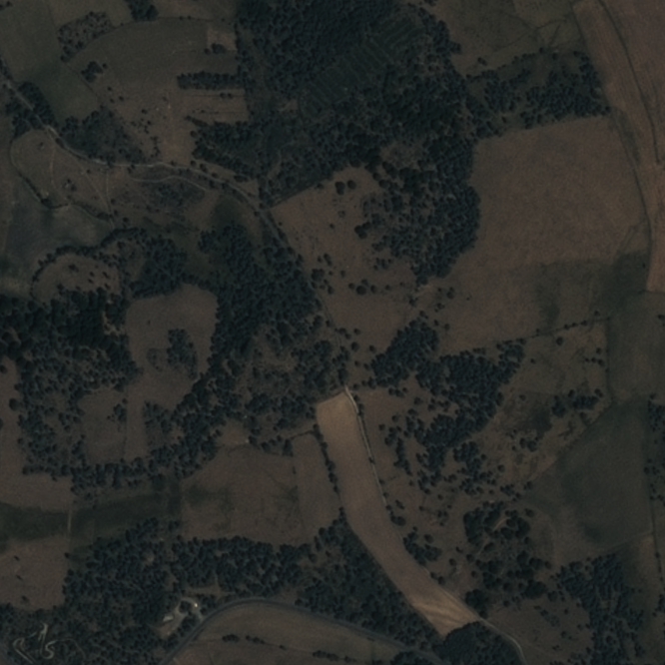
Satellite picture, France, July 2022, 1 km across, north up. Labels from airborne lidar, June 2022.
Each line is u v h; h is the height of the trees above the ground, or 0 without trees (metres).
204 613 13
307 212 0
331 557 16
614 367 0
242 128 16
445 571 0
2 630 12
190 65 0
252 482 0
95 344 15
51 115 15
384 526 0
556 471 0
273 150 0
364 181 0
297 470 0
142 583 12
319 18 8
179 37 0
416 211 7
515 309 0
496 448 0
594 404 8
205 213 0
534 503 0
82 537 0
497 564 7
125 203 0
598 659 16
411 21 0
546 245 0
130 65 0
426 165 14
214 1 0
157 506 0
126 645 15
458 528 0
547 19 0
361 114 6
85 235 0
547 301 0
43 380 10
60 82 0
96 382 11
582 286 0
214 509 0
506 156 0
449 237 19
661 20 0
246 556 19
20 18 0
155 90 0
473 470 12
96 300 13
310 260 0
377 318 0
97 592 13
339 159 15
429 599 0
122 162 0
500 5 0
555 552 0
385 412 0
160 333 0
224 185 8
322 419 0
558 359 0
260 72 0
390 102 12
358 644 0
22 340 16
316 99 0
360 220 0
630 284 0
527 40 0
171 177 0
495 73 9
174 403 0
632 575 0
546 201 0
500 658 8
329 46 12
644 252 0
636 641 11
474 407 17
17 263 0
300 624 0
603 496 0
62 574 0
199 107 0
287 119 0
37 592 0
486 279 0
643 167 0
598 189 0
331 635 0
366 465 0
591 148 0
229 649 0
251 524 0
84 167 0
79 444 10
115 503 0
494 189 0
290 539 0
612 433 0
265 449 14
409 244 10
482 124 21
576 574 13
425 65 0
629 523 0
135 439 0
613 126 0
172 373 0
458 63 0
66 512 0
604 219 0
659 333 0
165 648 11
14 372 0
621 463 0
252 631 0
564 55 0
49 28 0
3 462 0
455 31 0
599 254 0
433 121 14
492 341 0
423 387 17
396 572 0
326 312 0
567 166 0
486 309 0
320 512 0
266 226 6
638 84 0
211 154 13
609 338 0
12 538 0
